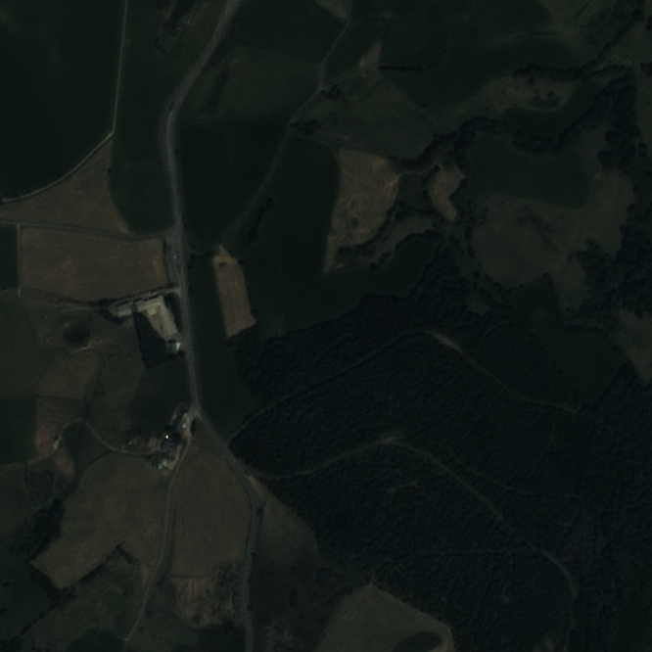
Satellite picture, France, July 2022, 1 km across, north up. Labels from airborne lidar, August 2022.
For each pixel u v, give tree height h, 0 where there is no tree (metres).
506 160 0
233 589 0
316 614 0
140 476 0
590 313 8
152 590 0
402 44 0
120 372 0
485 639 10
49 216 0
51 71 0
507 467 7
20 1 0
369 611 0
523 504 10
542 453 7
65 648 0
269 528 0
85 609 0
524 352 8
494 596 10
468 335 12
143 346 17
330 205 0
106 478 0
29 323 0
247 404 0
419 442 8
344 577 0
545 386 6
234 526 0
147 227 0
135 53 0
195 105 0
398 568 9
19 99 0
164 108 0
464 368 7
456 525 10
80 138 0
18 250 0
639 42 0
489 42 0
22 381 0
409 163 13
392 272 0
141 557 0
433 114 0
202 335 0
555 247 0
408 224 0
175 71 0
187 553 0
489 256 0
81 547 0
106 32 0
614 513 27
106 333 0
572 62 0
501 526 11
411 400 8
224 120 0
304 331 9
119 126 0
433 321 12
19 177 0
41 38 0
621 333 0
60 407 0
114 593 0
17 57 0
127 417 0
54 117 0
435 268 10
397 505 7
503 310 14
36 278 0
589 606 17
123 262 0
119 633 0
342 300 0
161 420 0
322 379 7
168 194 0
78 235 0
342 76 0
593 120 13
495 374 8
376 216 0
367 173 0
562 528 14
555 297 8
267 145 0
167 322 0
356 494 8
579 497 11
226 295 0
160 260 0
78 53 0
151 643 0
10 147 0
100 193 0
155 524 0
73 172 0
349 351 12
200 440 0
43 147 0
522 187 0
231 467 0
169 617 0
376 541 10
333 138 0
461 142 16
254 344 7
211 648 0
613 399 16
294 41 0
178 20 0
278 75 0
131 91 0
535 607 14
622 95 19
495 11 0
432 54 0
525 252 0
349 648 0
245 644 0
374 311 17
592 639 28
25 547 8
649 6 0
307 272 0
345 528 12
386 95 0
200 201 0
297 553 0
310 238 0
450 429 10
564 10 0
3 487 0
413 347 10
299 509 8
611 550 27
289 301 0
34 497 0
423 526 10
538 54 0
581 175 0
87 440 0
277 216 0
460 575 11
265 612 0
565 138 12
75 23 0
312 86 0
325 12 0
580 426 10
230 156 0
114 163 0
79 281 0
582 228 0
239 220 0
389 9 0
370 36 0
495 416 10
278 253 0
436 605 6
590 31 0
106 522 0
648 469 30
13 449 0
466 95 0
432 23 0
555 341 0
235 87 0
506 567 7
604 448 10
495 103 0
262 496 0
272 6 0
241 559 0
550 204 0
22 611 0
